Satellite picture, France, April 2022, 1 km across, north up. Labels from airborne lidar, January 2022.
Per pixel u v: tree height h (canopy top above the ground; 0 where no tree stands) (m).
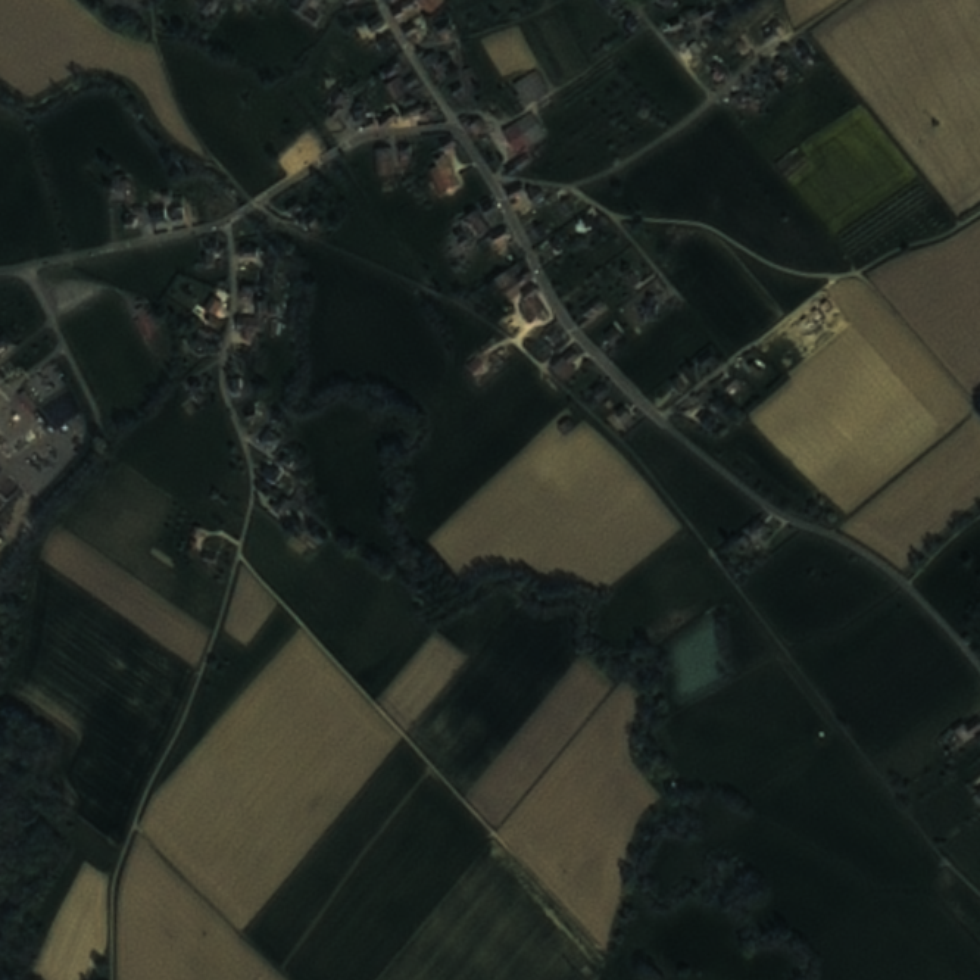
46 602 0
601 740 0
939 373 0
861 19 0
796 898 0
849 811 0
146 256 0
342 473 0
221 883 0
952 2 0
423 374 0
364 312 0
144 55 0
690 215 0
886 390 0
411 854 0
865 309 0
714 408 7
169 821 0
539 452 0
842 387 0
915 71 0
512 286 0
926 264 0
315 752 0
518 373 0
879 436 0
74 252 0
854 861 0
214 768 0
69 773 0
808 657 0
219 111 0
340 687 0
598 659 14
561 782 0
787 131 0
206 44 19
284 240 17
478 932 0
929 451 0
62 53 0
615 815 0
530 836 0
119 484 0
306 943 0
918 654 0
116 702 0
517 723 0
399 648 0
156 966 0
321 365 0
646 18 0
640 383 0
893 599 0
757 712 0
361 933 0
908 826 0
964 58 0
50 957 0
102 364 0
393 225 0
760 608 0
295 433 20
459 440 0
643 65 0
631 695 0
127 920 0
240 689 0
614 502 0
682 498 0
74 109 0
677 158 0
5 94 21
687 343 0
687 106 0
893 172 0
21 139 0
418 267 0
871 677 0
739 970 0
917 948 0
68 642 0
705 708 0
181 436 0
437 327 21
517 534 0
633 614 0
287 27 0
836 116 0
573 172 0
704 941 0
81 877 0
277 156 19
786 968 0
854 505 0
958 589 0
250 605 0
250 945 0
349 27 17
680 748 0
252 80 0
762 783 0
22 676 0
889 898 0
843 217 0
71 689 0
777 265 0
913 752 0
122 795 0
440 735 0
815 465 0
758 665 0
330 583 0
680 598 0
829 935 0
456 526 0
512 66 0
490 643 0
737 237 0
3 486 0
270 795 0
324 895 0
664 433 0
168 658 0
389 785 0
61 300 0
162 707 0
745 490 0
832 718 0
